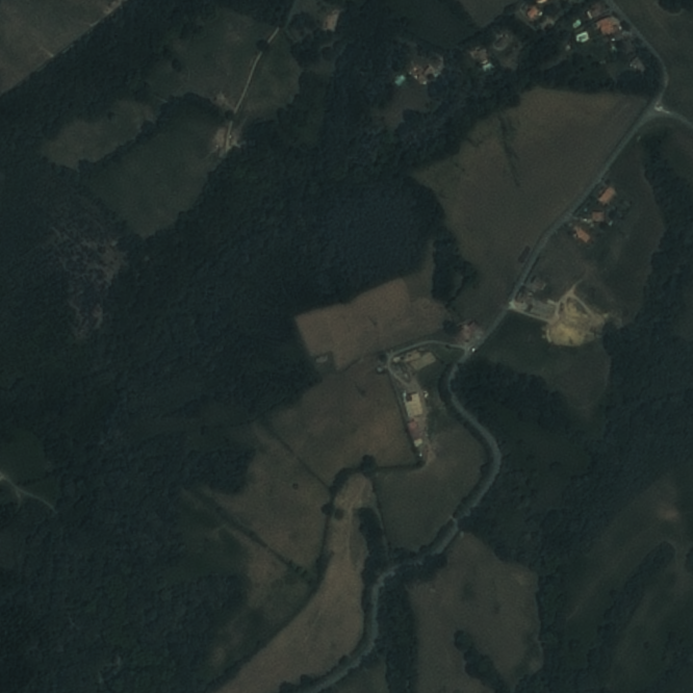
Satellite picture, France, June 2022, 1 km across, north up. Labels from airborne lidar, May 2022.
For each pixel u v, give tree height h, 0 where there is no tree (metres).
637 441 7
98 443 15
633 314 0
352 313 0
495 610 0
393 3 0
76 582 22
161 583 11
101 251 14
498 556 12
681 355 6
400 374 0
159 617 18
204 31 13
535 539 12
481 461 0
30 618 13
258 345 17
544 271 0
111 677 14
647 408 20
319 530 0
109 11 0
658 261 18
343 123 17
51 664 17
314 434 0
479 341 0
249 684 0
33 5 0
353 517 0
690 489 0
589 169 0
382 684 0
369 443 0
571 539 9
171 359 9
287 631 0
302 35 8
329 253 15
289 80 0
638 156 0
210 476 10
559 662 6
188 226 19
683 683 0
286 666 0
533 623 0
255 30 0
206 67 0
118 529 21
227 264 29
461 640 23
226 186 22
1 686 15
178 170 0
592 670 12
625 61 8
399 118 0
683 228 6
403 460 0
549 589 25
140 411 8
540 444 0
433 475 0
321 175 24
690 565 0
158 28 27
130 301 11
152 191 0
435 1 0
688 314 0
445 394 18
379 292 0
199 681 11
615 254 0
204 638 10
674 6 8
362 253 24
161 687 23
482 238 0
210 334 21
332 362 0
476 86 23
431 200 23
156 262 21
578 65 14
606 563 0
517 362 0
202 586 10
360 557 0
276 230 10
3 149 15
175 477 9
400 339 0
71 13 0
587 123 0
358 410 0
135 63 14
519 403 21
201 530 0
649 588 0
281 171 12
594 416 0
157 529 16
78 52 12
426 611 0
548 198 0
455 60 18
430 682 0
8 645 14
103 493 21
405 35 18
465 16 15
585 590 0
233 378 12
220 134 0
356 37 21
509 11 7
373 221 23
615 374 19
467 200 0
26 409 19
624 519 0
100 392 17
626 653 0
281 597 0
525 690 14
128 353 12
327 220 21
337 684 7
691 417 19
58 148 0
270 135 22
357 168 21
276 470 0
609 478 12
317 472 0
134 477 17
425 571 15
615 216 17
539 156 0
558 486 0
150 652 24
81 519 8
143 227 0
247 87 0
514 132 0
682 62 0
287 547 0
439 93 31
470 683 0
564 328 0
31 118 16
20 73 0
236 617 0
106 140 0
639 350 25
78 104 18
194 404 11
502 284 0
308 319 0
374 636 0
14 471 0
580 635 0
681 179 10
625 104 0
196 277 20
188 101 14
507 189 0
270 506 0
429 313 0
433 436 0
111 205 0
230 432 0
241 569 0
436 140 21
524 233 0
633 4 0
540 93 0
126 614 27
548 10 15
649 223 0
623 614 8
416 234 18
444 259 19
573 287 0
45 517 7
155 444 14
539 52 21
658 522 0
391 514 0
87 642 17
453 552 0
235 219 9
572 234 6
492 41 14
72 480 13
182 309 12
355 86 24
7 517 12
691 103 0
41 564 12
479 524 23
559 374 0
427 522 0
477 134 0
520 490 9
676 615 0
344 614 0
